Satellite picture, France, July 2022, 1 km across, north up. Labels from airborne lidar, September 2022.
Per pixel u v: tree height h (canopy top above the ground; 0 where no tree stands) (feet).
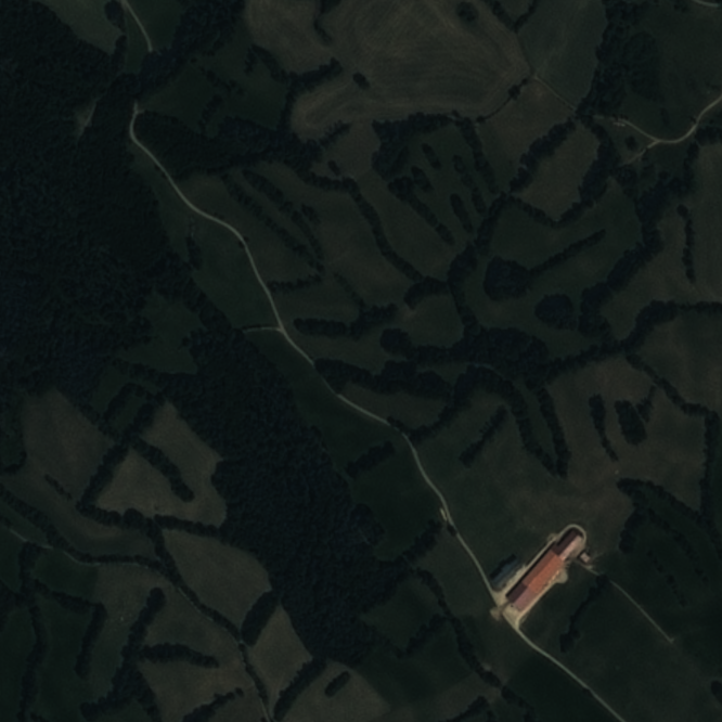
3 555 0
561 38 0
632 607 0
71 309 26
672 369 0
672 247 0
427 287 63
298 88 62
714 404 0
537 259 0
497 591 0
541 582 0
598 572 0
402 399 0
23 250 90
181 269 79
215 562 0
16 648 0
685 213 56
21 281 67
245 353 80
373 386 63
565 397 0
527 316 0
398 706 0
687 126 0
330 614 57
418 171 50
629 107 0
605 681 0
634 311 0
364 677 0
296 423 71
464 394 74
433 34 0
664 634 0
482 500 0
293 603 88
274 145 50
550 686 0
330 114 0
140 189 37
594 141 0
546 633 0
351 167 0
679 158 0
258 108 0
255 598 0
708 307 48
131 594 0
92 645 46
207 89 0
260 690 41
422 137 0
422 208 59
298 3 0
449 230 48
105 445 0
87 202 42
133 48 0
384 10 0
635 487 45
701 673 0
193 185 0
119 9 75
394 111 0
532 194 0
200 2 22
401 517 0
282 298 0
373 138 0
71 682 0
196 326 0
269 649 0
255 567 0
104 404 0
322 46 0
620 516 0
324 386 0
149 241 31
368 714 0
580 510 0
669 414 0
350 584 31
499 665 0
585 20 0
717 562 0
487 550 0
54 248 81
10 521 45
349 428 0
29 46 34
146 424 65
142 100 80
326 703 0
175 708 0
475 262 73
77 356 91
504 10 44
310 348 0
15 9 27
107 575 0
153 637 0
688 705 0
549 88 0
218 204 0
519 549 0
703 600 0
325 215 0
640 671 0
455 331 0
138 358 0
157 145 19
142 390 48
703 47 0
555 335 0
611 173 62
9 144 22
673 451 0
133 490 0
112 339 45
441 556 0
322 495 99
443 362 65
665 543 0
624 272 73
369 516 70
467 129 58
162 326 0
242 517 34
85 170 30
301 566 84
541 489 0
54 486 30
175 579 53
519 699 22
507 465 0
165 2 0
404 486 0
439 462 0
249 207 51
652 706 0
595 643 0
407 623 0
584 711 0
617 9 58
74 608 68
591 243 26
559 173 0
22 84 41
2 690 0
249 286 0
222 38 60
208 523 0
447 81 0
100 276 73
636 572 0
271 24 0
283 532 43
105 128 30
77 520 0
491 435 59
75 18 0
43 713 0
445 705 0
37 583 55
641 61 22
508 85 0
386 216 0
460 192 0
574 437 0
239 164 61
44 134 26
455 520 0
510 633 0
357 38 0
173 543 0
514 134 0
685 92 0
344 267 0
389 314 60
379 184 0
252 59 52
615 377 0
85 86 30
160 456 51
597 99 26
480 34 0
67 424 0
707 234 0
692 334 0
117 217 24
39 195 80
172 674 0
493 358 91
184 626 0
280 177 0
